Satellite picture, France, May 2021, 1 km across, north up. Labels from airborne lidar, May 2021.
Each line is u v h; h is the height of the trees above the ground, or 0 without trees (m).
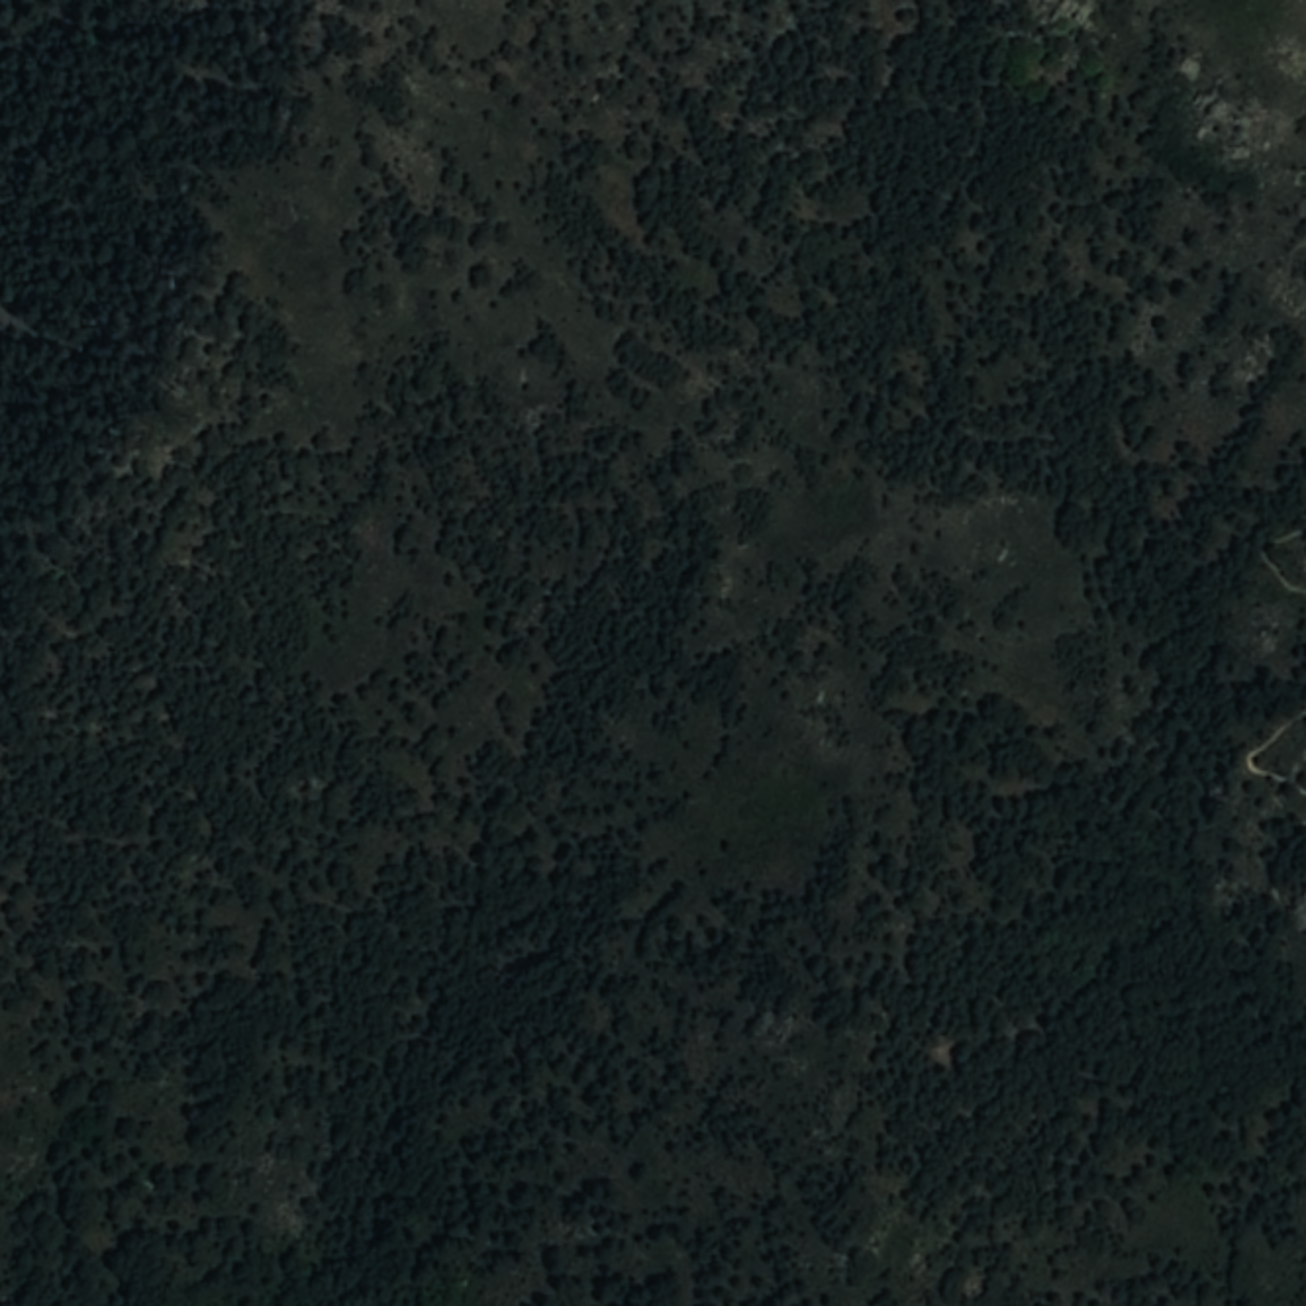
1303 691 14
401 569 0
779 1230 9
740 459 10
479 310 0
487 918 31
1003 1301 18
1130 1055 29
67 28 17
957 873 11
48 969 25
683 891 18
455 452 26
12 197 10
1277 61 0
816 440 0
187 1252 30
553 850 0
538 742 21
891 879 25
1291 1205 21
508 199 0
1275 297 0
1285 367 14
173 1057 16
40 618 21
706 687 18
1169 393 12
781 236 9
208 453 15
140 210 16
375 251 9
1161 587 24
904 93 20
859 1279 14
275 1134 9
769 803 0
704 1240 16
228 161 11
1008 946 32
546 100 0
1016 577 0
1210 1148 32
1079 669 8
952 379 27
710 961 17
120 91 21
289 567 19
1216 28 0
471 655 6
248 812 19
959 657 14
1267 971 29
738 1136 8
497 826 28
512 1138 20
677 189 17
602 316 14
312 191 0
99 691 21
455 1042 26
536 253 0
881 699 9
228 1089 26
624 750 9
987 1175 15
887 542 0
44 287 21
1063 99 11
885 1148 13
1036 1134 15
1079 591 0
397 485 24
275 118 14
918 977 25
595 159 23
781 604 0
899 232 23
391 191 15
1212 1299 18
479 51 0
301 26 18
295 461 23
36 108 26
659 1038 12
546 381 0
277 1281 29
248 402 19
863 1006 24
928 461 14
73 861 17
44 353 30
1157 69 16
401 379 17
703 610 11
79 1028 19
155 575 25
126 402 10
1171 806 33
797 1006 8
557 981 27
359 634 0
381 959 31
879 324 21
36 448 24
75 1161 24
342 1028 29
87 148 25
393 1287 24
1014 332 21
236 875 19
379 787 19
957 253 14
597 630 16
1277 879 22
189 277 8
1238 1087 35
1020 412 20
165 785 16
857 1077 8
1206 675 20
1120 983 37
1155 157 10
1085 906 22
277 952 20
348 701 21
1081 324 24
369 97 12
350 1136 32
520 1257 20
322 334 0
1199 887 29
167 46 23
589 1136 14
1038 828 29
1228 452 13
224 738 18
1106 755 18
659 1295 24
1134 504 24
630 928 17
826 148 8
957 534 0
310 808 17
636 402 20
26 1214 26
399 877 21
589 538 19
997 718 29
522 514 10
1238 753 21
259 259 0
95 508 9
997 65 19
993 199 21
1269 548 11
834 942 14
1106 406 25
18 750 27
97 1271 35
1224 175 11
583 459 14
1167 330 19
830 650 18
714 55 0
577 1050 14
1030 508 0
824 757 0
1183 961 34
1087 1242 14
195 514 25
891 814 12
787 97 23
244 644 19
